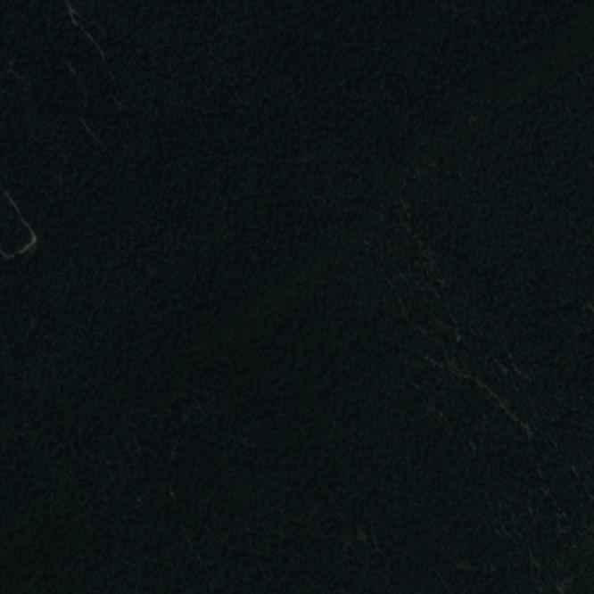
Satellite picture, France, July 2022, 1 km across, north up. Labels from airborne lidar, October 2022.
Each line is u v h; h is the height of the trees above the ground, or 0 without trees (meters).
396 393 17
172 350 13
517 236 26
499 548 20
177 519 9
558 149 14
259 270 16
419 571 22
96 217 21
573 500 11
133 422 10
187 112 15
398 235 20
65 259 20
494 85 13
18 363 24
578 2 14
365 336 18
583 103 23
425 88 18
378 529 10
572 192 21
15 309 23
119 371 13
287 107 22
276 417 18
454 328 9
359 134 23
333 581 15
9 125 24
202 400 24
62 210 27
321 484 14
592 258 19
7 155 12
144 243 21
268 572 19
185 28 14
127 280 9
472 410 11
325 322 21
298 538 18
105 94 24
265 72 13
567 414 16
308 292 22
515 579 9
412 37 15
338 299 18
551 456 20
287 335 21
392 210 20
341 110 8
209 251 17
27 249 0
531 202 26
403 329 22
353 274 24
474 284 17
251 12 12
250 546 22
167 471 19
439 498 20
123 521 23
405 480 22
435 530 17
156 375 14
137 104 20
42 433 18
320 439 18
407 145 25
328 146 27
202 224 17
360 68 16
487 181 24
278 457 21
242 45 22
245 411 21
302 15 18
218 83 15
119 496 8
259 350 17
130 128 19
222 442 19
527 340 17
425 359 22
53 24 11
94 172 18
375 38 24
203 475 19
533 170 16
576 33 9
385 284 21
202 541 12
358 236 8
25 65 19
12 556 16
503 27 31
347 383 27
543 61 12
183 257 16
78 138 20
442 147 18
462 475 27
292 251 11
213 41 9
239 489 20
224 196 18
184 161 11
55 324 15
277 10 20
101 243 18
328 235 23
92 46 22
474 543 16
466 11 29
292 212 21
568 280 30
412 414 23
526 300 10
